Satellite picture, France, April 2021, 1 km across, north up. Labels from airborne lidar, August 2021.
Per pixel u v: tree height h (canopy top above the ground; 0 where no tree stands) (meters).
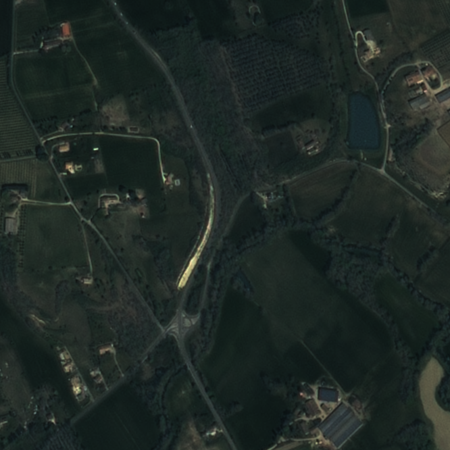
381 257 15
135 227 0
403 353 14
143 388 15
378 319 0
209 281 0
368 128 0
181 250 0
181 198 0
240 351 0
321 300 0
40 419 10
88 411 0
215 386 0
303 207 0
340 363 0
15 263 14
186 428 0
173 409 0
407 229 0
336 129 8
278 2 0
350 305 0
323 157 12
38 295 0
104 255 11
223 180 16
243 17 0
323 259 0
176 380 0
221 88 19
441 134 0
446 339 12
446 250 0
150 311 17
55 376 0
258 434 0
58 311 12
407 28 0
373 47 0
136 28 14
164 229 0
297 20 9
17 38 0
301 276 0
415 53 0
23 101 0
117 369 7
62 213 0
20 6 0
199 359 14
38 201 0
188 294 0
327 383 0
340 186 0
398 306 0
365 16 0
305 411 8
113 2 0
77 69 0
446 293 0
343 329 0
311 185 0
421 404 0
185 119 18
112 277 8
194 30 16
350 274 22
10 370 0
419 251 0
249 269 0
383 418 0
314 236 20
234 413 14
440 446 0
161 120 7
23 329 0
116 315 14
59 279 0
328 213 16
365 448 0
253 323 0
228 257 22
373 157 0
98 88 0
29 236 0
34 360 0
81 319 0
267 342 0
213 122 24
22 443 15
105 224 0
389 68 9
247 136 14
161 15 0
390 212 0
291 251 0
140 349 20
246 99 9
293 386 7
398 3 0
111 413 0
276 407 0
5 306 0
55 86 0
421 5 0
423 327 0
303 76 9
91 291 0
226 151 19
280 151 0
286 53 6
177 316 0
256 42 8
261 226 0
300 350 0
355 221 0
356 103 0
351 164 18
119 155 0
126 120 0
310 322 0
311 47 0
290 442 11
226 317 0
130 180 0
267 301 0
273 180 10
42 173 0
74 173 5
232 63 9
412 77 0
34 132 6
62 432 23
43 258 0
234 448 0
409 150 0
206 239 0
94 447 0
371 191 0
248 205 0
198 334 0
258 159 18
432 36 0
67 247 0
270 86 9
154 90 6
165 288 0
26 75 0
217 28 0
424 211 0
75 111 0
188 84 19
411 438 23
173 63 9
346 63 8
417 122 0
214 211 0
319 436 0
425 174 0
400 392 11
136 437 0
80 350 0
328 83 15
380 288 0
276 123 0
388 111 10
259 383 0
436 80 9
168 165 0
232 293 0
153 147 0
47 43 0
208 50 14
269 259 0
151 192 0
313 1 15
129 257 0
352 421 0
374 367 0
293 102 0
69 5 0
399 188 0
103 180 0
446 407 16
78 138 9
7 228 0
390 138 0
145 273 0
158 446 8
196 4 0
